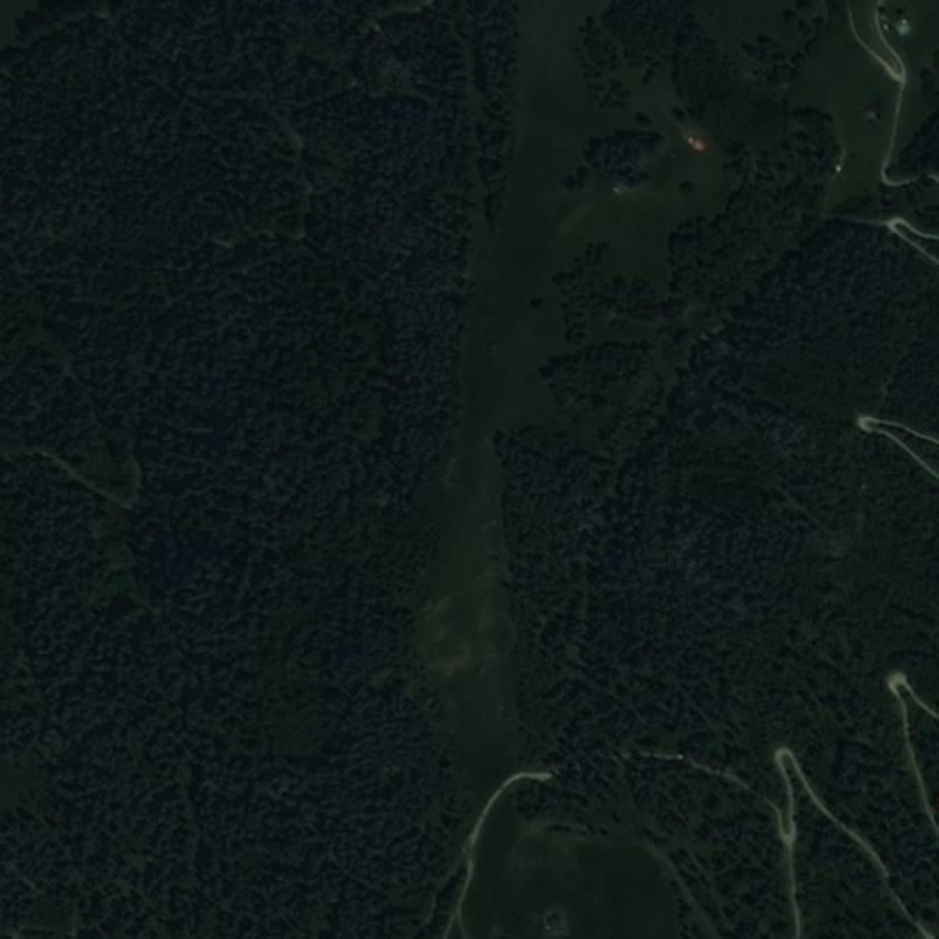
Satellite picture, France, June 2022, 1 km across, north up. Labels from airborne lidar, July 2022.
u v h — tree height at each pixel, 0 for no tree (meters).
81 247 14
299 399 13
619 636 9
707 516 34
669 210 0
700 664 32
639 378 26
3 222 16
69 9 24
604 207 0
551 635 30
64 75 15
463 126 8
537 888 0
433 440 31
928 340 14
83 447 10
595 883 0
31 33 24
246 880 11
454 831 27
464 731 0
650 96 0
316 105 11
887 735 8
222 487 11
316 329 23
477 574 0
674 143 0
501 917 0
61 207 26
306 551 18
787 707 9
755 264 22
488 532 0
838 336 13
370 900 29
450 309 33
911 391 16
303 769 20
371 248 7
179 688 34
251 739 5
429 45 11
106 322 25
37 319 7
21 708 7
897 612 12
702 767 14
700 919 0
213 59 16
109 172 15
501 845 0
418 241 9
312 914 30
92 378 7
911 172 16
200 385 10
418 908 9
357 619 10
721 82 9
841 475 8
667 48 8
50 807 8
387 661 22
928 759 9
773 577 9
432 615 0
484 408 0
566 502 33
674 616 16
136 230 13
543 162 0
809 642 7
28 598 11
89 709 33
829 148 24
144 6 9
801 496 14
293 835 33
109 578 10
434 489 13
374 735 26
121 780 35
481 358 0
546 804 24
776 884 25
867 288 27
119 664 35
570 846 0
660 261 0
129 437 17
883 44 0
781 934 30
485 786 0
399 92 7
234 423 34
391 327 15
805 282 19
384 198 32
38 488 12
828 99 0
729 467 9
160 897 31
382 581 9
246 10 27
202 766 7
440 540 7
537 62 0
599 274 10
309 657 12
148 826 31
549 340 0
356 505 13
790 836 0
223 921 21
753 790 26
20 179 7
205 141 21
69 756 10
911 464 7
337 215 13
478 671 0
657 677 8
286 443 13
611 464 35
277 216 24
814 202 33
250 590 11
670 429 20
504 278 0
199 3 7
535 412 0
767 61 19
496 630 0
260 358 17
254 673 10
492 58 28
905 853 11
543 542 14
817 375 8
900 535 8
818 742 5
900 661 11
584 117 0
